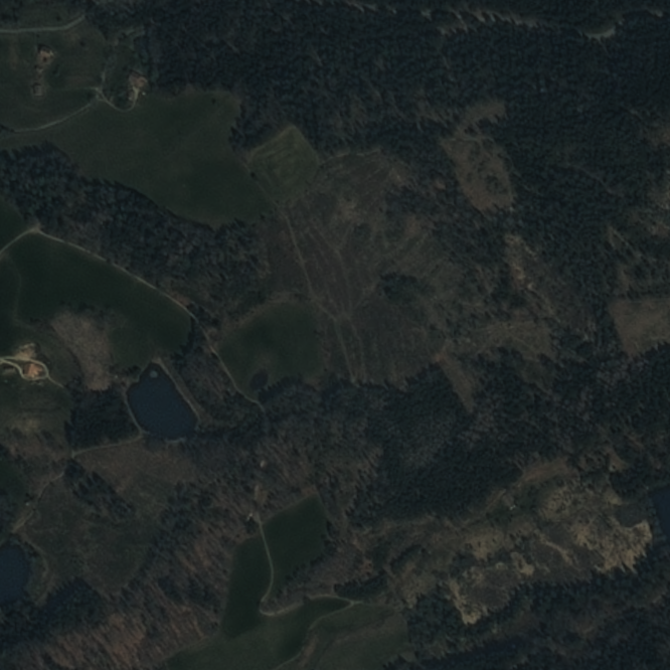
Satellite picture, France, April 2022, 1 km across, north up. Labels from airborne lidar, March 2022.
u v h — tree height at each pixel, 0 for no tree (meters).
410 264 0
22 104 0
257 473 26
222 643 0
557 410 28
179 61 18
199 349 10
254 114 17
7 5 20
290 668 0
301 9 17
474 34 16
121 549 0
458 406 18
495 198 0
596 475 12
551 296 0
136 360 0
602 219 19
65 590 0
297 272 0
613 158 20
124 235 20
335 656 0
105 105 0
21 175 27
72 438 18
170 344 0
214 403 25
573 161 21
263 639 0
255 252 25
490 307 15
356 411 14
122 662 24
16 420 0
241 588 0
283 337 0
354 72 15
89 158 0
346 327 0
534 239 20
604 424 30
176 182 0
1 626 15
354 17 19
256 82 19
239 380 0
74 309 14
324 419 21
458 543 0
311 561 0
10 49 0
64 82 0
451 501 21
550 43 17
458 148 0
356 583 9
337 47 19
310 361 0
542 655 19
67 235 18
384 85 19
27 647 26
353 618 0
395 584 13
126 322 0
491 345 0
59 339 0
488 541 0
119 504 20
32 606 14
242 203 0
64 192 34
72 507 0
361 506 16
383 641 0
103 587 0
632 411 25
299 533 0
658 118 14
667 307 0
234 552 23
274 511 22
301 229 0
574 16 25
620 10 16
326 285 0
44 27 0
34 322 8
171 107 0
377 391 23
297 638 0
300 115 23
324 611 0
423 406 17
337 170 0
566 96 22
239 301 15
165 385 0
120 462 19
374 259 0
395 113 23
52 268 0
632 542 0
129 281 0
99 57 0
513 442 25
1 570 0
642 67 9
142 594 26
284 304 0
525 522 0
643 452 12
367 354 0
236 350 0
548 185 20
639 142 28
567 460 24
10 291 0
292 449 23
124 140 0
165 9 10
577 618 25
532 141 30
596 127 25
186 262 27
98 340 0
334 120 23
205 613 23
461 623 18
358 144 19
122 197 20
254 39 20
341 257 0
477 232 27
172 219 20
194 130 0
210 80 17
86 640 29
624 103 20
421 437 17
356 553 27
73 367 0
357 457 20
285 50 25
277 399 23
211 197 0
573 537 0
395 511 24
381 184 0
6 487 0
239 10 17
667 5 18
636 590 11
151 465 22
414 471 17
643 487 12
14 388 0
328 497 24
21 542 8
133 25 9
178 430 0
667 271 24
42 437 0
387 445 18
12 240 0
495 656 25
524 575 0
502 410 26
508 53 19
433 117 8
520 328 0
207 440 17
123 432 18
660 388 26
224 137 0
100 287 0
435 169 26
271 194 0
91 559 0
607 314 20
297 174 0
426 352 0
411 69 17
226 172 0
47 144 0
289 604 21
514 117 23
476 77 16
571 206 25
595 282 18
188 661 0
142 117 0
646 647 12
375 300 0
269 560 0
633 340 0
